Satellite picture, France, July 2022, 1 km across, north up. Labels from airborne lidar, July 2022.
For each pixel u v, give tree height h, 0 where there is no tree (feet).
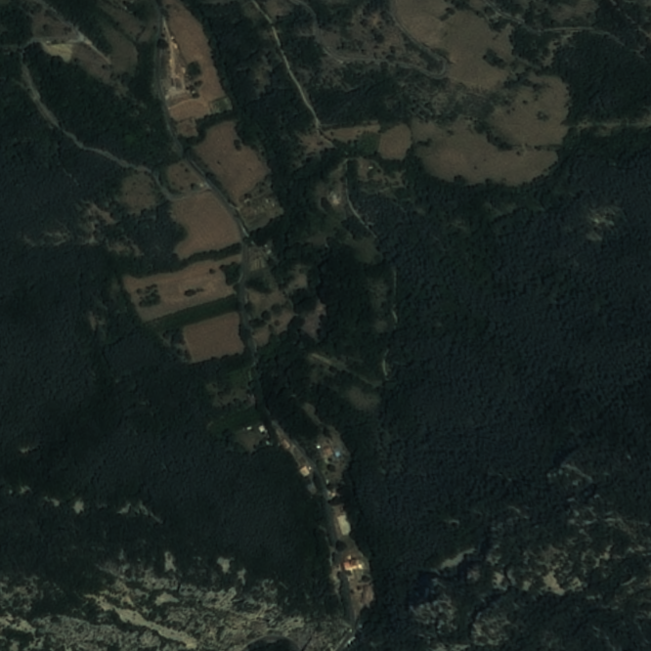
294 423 77
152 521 35
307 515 49
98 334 52
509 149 28
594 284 46
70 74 48
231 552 46
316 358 0
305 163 24
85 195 45
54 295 48
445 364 68
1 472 83
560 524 23
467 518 45
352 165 37
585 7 0
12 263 54
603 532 24
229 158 0
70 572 31
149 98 36
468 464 64
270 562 50
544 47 25
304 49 25
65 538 27
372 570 51
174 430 56
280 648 38
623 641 17
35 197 29
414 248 57
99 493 52
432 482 41
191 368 36
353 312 58
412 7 0
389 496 40
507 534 20
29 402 54
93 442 69
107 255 47
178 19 0
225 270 32
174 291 0
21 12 37
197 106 0
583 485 27
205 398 43
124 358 67
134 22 0
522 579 31
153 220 37
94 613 39
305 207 50
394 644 29
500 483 49
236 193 0
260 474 50
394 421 48
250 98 25
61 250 44
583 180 48
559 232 39
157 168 39
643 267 57
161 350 40
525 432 57
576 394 67
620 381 54
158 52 0
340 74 23
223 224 0
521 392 43
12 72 31
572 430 36
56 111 43
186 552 31
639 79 51
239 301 21
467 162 0
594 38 28
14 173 69
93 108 40
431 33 0
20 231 37
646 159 54
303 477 41
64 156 64
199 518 39
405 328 26
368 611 58
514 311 57
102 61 0
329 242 44
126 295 42
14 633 35
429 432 35
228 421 18
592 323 63
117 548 20
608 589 23
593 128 20
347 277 64
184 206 0
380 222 26
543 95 0
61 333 50
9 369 64
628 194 43
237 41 72
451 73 0
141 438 45
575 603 33
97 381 23
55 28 0
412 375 61
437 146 0
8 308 61
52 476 62
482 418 35
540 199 40
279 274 55
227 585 26
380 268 35
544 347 48
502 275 46
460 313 20
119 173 36
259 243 35
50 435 67
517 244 49
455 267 45
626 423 59
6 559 25
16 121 54
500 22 30
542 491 50
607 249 52
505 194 49
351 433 65
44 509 26
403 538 40
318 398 30
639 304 42
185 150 25
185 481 49
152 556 19
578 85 50
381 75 29
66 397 48
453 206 54
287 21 37
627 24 38
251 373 18
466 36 0
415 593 24
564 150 41
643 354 53
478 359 46
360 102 25
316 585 40
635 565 30
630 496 28
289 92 35
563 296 22
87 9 37
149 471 70
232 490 55
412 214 38
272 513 59
